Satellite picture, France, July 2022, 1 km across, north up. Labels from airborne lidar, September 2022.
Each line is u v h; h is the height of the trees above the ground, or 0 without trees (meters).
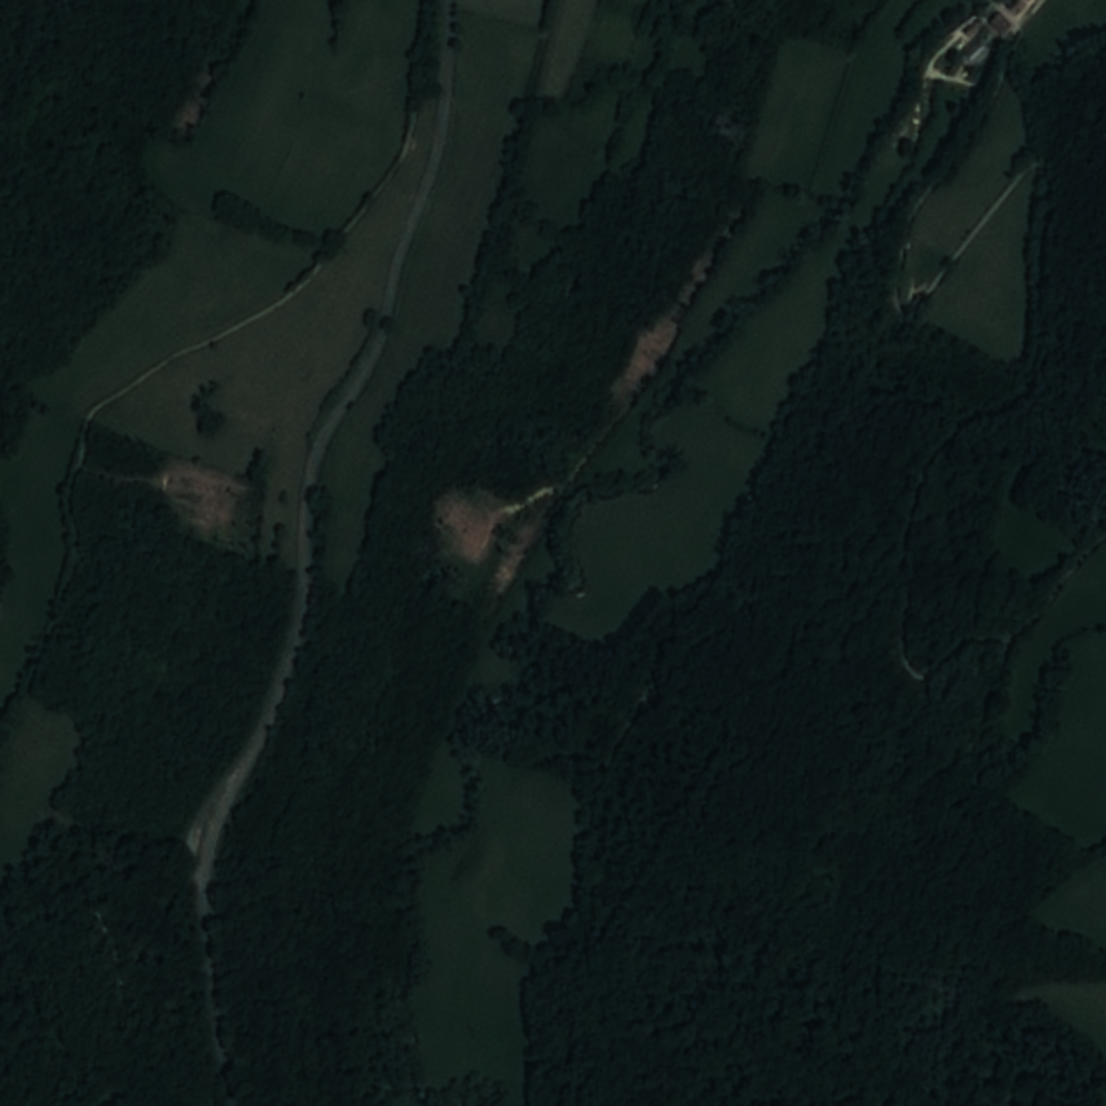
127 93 22
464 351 17
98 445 12
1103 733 0
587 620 0
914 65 11
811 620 11
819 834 21
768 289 21
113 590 15
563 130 0
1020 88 15
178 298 0
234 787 0
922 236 0
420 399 13
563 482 20
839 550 20
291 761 8
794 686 23
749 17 23
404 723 21
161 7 20
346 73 0
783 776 25
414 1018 11
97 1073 19
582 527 0
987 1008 18
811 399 18
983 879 24
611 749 6
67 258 16
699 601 18
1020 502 22
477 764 16
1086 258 23
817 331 0
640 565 0
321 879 27
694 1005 24
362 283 0
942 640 10
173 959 23
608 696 24
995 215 0
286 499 8
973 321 0
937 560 8
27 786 0
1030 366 13
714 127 23
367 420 0
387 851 21
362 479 0
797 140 0
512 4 0
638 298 23
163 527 13
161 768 18
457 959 0
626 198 22
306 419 0
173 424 0
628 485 13
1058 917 0
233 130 0
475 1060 0
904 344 23
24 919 24
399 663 18
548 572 0
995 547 17
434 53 16
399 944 9
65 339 18
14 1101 23
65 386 0
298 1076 24
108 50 17
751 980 20
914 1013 17
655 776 22
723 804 22
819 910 17
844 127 0
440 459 13
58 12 27
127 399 0
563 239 15
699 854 19
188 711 14
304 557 0
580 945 22
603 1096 22
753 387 0
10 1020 19
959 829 24
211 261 0
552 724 34
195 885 19
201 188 0
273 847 10
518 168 15
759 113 17
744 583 21
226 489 0
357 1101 26
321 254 11
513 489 21
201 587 13
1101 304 22
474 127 0
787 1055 26
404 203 0
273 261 0
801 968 13
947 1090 23
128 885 22
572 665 31
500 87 0
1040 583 18
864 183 21
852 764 19
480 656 17
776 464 19
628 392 0
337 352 0
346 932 31
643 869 16
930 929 24
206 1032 21
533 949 16
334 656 13
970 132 18
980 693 17
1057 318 24
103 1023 16
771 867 21
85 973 15
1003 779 28
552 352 17
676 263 23
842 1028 20
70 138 17
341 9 21
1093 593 0
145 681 14
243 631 16
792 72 0
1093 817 0
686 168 20
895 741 9
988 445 20
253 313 0
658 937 25
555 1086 20
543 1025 20
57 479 0
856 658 22
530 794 0
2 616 16
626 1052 22
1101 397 24
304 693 8
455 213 0
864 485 22
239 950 30
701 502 0
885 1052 17
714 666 23
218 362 0
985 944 23
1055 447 26
